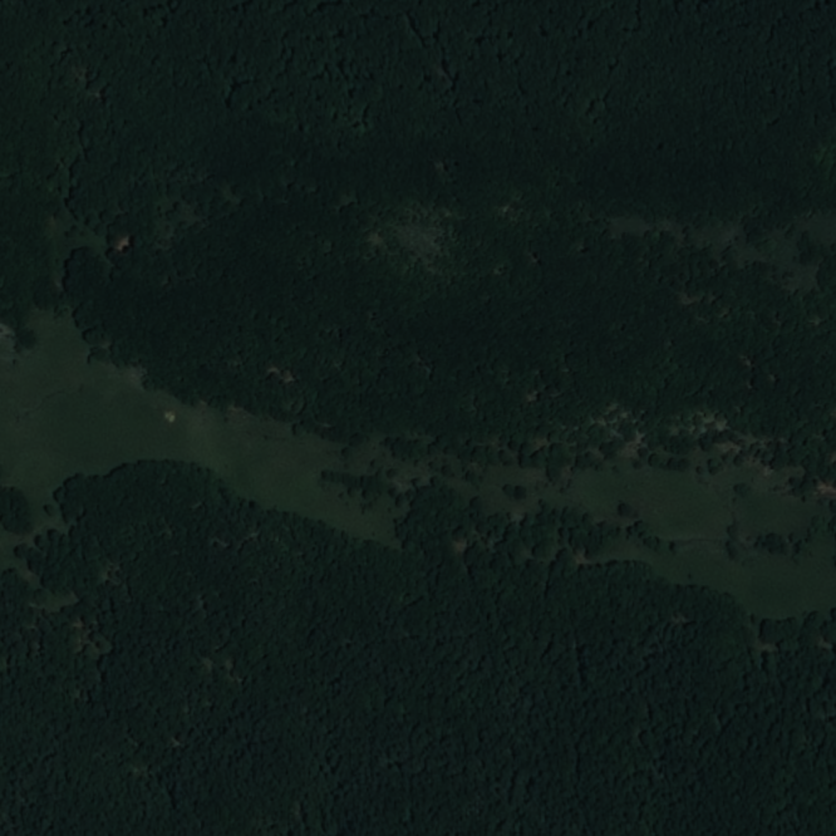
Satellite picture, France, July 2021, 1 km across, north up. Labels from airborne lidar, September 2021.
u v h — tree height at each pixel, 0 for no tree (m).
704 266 14
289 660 18
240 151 19
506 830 28
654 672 19
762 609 0
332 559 18
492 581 17
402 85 19
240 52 29
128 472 17
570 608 20
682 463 11
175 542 16
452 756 21
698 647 24
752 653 16
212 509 15
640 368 19
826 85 27
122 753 18
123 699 24
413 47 28
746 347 26
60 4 25
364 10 27
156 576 15
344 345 29
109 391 0
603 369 21
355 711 20
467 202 18
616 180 21
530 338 24
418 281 14
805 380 27
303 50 27
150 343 17
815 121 26
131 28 27
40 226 26
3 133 15
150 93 22
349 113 22
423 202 10
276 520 25
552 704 16
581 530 18
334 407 13
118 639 21
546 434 20
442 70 27
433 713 19
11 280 17
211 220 10
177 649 21
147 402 0
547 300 21
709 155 24
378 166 18
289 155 18
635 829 14
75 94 21
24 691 18
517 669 18
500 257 14
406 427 19
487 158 22
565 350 23
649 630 17
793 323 15
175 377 15
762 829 19
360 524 0
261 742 20
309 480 0
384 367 22
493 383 19
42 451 0
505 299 17
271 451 0
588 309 24
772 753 20
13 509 14
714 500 0
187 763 18
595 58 29
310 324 17
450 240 12
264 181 15
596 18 28
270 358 16
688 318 17
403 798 18
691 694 13
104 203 18
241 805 20
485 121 26
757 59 27
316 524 15
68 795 17
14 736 16
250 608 17
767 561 0
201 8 25
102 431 0
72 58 24
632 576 25
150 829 18
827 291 19
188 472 17
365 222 14
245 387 21
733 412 21
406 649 21
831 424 18
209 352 17
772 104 27
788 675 18
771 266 12
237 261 18
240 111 27
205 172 9
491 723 19
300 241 12
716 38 28
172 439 0
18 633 27
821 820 22
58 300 17
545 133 26
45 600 18
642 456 13
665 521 0
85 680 23
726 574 0
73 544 12
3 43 23
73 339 0
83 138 24
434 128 23
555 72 27
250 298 19
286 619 19
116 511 16
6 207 16
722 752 15
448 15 23
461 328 23
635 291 18
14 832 17
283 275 20
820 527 19
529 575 24
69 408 0
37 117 15
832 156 14
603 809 17
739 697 23
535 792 28
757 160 24
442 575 21
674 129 25
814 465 16
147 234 14
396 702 15
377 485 22
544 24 25
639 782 19
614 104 27
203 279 18
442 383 20
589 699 13
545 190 17
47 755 17
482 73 24
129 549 15
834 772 24
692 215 16
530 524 25
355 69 27
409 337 23
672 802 28
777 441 9
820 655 24
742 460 17
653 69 29
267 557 16
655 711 19
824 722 9
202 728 30
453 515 26
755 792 19
